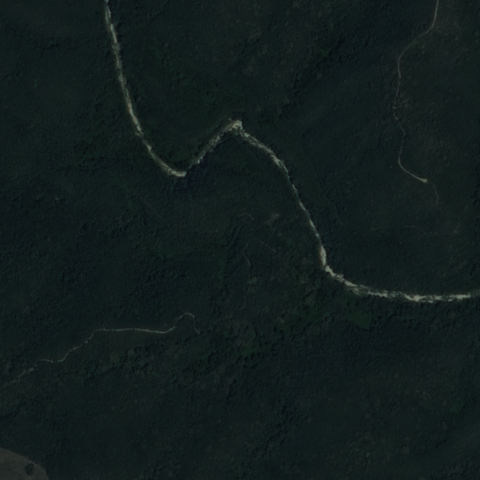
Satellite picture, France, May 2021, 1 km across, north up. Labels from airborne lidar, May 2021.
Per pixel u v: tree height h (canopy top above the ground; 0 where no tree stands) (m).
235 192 10
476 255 7
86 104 10
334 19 14
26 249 12
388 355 8
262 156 12
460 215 5
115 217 10
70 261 26
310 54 12
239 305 7
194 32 8
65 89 6
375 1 21
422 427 7
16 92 7
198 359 9
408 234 8
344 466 10
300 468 8
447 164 10
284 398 12
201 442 9
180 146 6
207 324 11
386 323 14
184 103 7
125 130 17
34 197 26
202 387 13
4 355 9
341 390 8
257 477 11
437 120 6
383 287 12
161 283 17
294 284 6
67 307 13
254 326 14
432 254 6
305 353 8
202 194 8
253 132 9
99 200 9
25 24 7
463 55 6
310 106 6
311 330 14
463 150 7
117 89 11
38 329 18
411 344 12
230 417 7
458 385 6
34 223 17
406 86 5
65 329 10
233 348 9
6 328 13
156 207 7
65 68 7
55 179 8
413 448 8
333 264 11
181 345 11
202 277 9
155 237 6
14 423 9
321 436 9
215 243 11
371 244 9
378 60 6
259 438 12
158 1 6
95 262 12
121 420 8
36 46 15
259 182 7
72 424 8
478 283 7
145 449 7
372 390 8
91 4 10
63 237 10
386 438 9
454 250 8
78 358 8
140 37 6
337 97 7
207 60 9
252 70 10
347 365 8
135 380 10
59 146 12
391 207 7
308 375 6
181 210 7
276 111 15
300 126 7
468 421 7
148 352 14
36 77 8
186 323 9
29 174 10
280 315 12
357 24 23
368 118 7
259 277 16
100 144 6
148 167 10
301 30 10
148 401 9
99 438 8
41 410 13
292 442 10
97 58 14
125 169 16
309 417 13
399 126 7
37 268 12
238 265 8
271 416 11
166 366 10
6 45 10
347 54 13
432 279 11
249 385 19
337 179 7
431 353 8
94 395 10
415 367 7
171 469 11
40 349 9
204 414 8
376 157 6
